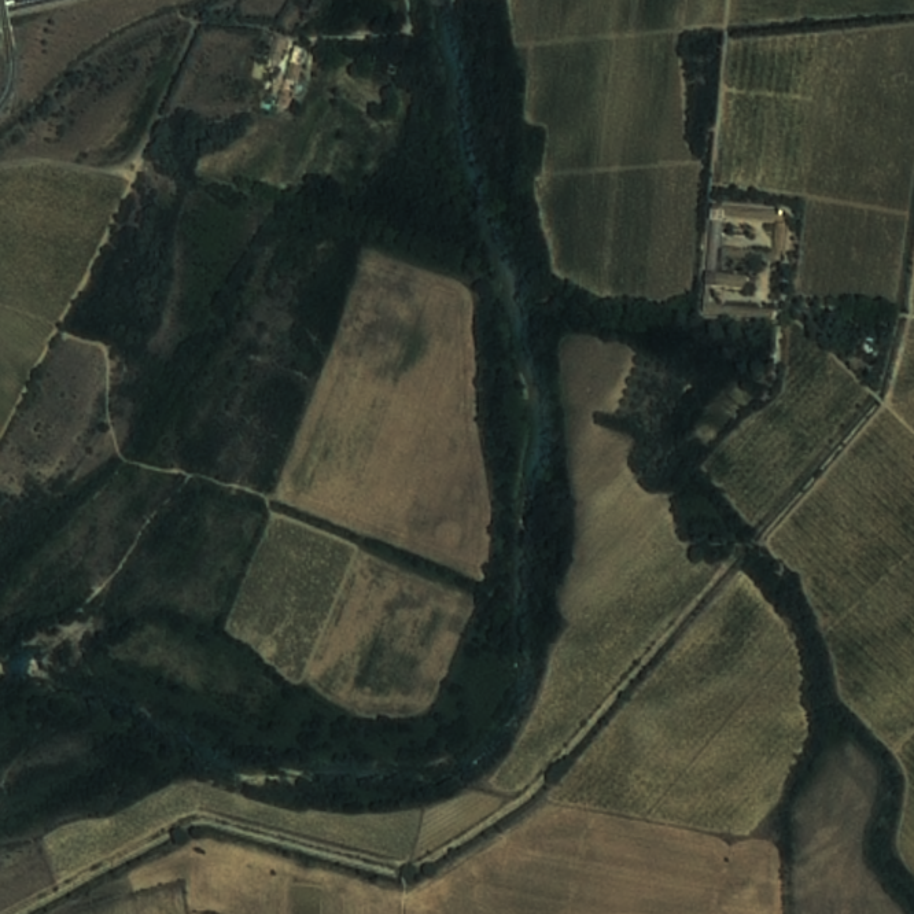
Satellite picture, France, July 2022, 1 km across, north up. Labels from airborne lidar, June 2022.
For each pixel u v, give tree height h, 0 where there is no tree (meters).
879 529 0
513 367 9
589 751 0
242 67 0
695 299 8
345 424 0
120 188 0
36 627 17
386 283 0
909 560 0
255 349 11
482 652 7
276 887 0
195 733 6
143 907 0
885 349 16
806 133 0
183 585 0
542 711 0
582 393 0
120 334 12
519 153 8
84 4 0
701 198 9
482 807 0
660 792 0
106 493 0
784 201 9
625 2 0
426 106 14
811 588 0
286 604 0
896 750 0
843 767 0
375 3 7
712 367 11
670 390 6
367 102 0
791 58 0
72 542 0
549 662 0
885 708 0
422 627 0
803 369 0
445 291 0
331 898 0
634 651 0
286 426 6
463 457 0
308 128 0
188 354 6
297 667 0
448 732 10
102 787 8
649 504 0
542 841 0
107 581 0
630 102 0
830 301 14
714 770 0
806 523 0
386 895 0
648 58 0
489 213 21
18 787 7
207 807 0
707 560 10
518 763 0
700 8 0
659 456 10
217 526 0
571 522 8
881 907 0
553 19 0
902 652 0
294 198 16
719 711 0
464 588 7
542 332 15
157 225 11
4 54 0
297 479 0
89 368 0
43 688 7
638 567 0
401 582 0
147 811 0
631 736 0
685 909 0
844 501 0
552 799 0
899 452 0
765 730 0
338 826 0
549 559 8
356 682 0
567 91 0
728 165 0
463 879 0
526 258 11
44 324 0
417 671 0
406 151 7
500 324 17
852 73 0
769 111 0
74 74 13
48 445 0
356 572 0
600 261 0
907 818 0
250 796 9
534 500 11
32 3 0
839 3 0
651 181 0
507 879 0
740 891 0
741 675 0
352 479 0
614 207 0
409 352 0
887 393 0
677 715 0
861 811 0
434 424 0
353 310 0
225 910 0
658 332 11
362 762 13
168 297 12
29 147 0
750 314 0
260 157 0
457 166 17
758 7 0
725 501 11
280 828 0
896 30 0
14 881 0
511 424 8
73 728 8
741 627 0
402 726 10
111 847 0
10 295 0
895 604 0
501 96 17
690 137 10
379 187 10
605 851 0
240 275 9
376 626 0
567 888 0
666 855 0
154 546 7
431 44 16
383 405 0
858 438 0
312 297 9
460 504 0
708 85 7
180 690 15
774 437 0
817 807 0
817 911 0
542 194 0
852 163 0
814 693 16
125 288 6
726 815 0
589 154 0
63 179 0
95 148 0
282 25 7
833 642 0
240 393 8
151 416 10
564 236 0
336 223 19
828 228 0
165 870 0
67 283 0
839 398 0
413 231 14
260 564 0
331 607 0
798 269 10
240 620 0
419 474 0
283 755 12
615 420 7
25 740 6
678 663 0
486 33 15
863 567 0
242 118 11
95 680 6
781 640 0
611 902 0
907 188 0
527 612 10
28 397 9
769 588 13
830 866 0
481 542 0
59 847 0
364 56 15
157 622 9
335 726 11
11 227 0
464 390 0
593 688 0
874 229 0
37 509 10
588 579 0
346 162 0
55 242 0
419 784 10
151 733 14
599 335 6
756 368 21
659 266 0
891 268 0
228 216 0
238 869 0
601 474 0
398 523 0
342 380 0
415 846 0
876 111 0
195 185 6
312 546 0
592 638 0
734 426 10
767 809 0
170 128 13
